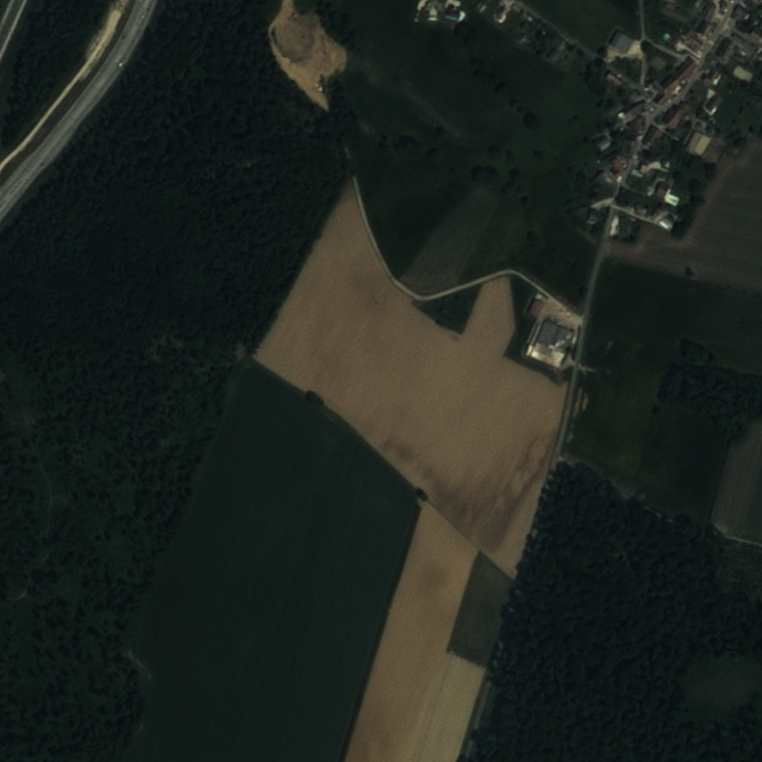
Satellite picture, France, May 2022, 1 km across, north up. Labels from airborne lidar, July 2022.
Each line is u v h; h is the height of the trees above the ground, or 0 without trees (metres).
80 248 21
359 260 0
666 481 0
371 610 0
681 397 22
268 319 17
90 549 5
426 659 0
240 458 0
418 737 0
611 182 0
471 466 0
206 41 17
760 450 0
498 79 11
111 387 18
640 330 0
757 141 0
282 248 19
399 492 0
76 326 17
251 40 19
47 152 0
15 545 5
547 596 31
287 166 17
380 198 0
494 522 0
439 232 0
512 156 14
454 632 0
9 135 25
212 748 0
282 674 0
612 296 0
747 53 0
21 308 24
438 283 0
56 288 19
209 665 0
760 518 0
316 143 17
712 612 28
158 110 7
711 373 11
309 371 0
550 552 29
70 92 0
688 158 6
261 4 26
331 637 0
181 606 0
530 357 0
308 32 0
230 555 0
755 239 0
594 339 0
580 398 0
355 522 0
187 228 21
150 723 0
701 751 12
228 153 17
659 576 24
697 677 0
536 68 0
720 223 0
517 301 0
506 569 0
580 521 26
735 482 0
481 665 0
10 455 20
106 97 0
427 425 0
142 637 0
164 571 0
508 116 0
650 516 14
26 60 18
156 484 21
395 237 0
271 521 0
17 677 28
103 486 10
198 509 0
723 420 22
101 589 18
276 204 12
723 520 0
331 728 0
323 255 0
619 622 15
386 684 0
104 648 18
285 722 0
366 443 0
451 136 0
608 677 30
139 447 22
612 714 21
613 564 28
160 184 18
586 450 0
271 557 0
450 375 0
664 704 23
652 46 14
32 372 12
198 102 23
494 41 0
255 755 0
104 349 20
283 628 0
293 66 0
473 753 0
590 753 30
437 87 0
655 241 0
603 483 27
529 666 26
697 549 31
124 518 13
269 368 0
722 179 0
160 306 23
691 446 0
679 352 0
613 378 0
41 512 6
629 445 0
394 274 0
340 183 16
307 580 0
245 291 21
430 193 0
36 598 27
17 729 30
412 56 0
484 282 0
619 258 0
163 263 22
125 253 21
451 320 6
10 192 0
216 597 0
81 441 14
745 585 8
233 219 6
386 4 0
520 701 20
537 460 0
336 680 0
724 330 0
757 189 0
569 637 31
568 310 0
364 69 0
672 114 0
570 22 0
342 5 0
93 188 22
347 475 0
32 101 18
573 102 0
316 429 0
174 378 7
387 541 0
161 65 27
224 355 6
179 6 13
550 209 0
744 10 0
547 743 27
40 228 22
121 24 0
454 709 0
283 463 0
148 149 29
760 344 0
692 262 0
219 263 23
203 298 19
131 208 17
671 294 0
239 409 0
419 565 0
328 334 0
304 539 0
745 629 19
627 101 8
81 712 16
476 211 0
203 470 0
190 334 11
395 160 0
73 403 12
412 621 0
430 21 0
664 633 7
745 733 20
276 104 23
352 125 28
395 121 0
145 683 0
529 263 0
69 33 18
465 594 0
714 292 0
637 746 28
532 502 0
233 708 0
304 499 0
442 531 0
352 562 0
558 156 0
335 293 0
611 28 0
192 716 0
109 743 19
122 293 14
